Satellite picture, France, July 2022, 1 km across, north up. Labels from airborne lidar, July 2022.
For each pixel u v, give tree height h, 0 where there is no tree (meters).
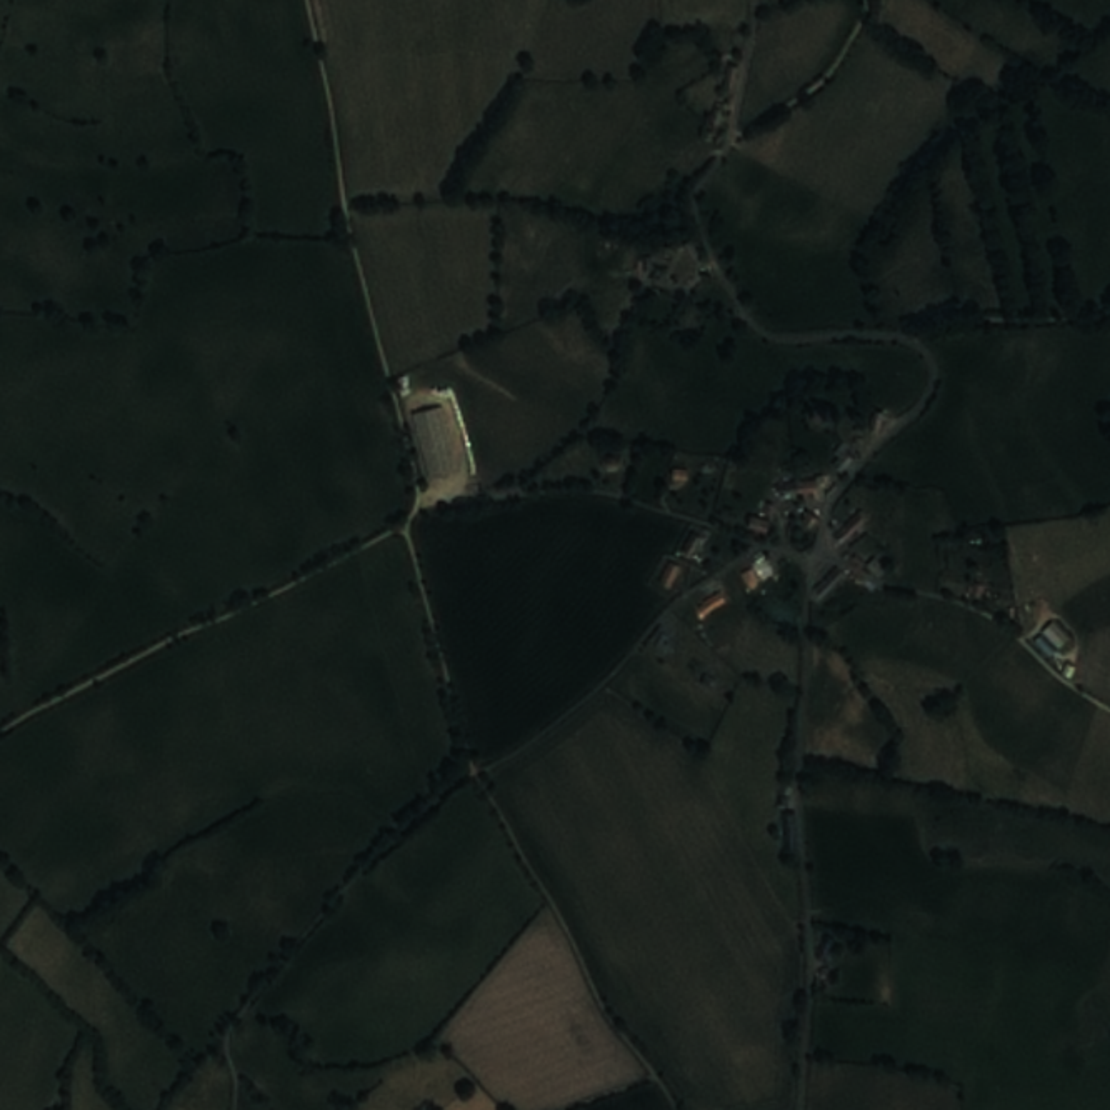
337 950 0
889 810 0
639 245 20
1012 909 0
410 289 0
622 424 0
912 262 0
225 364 0
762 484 0
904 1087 0
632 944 0
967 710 0
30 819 0
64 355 0
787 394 8
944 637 0
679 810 0
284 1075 0
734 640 0
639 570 0
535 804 0
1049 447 0
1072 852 0
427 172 0
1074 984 0
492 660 0
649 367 0
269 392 0
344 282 0
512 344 0
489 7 0
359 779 0
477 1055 0
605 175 0
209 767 0
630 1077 0
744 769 0
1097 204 0
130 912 0
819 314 0
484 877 0
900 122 0
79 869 0
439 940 0
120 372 0
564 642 0
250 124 0
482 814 0
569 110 0
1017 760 0
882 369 0
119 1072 0
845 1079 0
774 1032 0
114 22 0
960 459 0
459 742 15
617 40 0
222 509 0
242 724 0
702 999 0
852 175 0
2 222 0
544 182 0
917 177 23
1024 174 27
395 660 0
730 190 0
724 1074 0
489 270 0
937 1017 0
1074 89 28
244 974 0
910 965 0
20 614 0
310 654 0
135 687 0
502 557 0
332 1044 0
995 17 0
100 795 0
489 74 0
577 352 0
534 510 0
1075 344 0
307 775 0
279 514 0
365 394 0
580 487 14
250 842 0
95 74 0
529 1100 0
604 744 0
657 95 0
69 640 0
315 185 0
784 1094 0
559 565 0
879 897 0
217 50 0
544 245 0
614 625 0
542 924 0
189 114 7
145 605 0
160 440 0
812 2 11
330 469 0
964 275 0
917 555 0
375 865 9
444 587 0
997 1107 0
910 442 0
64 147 0
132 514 0
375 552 0
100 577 0
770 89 0
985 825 0
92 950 12
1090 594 0
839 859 0
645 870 0
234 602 12
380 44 0
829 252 0
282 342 0
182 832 0
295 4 0
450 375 0
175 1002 0
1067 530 0
